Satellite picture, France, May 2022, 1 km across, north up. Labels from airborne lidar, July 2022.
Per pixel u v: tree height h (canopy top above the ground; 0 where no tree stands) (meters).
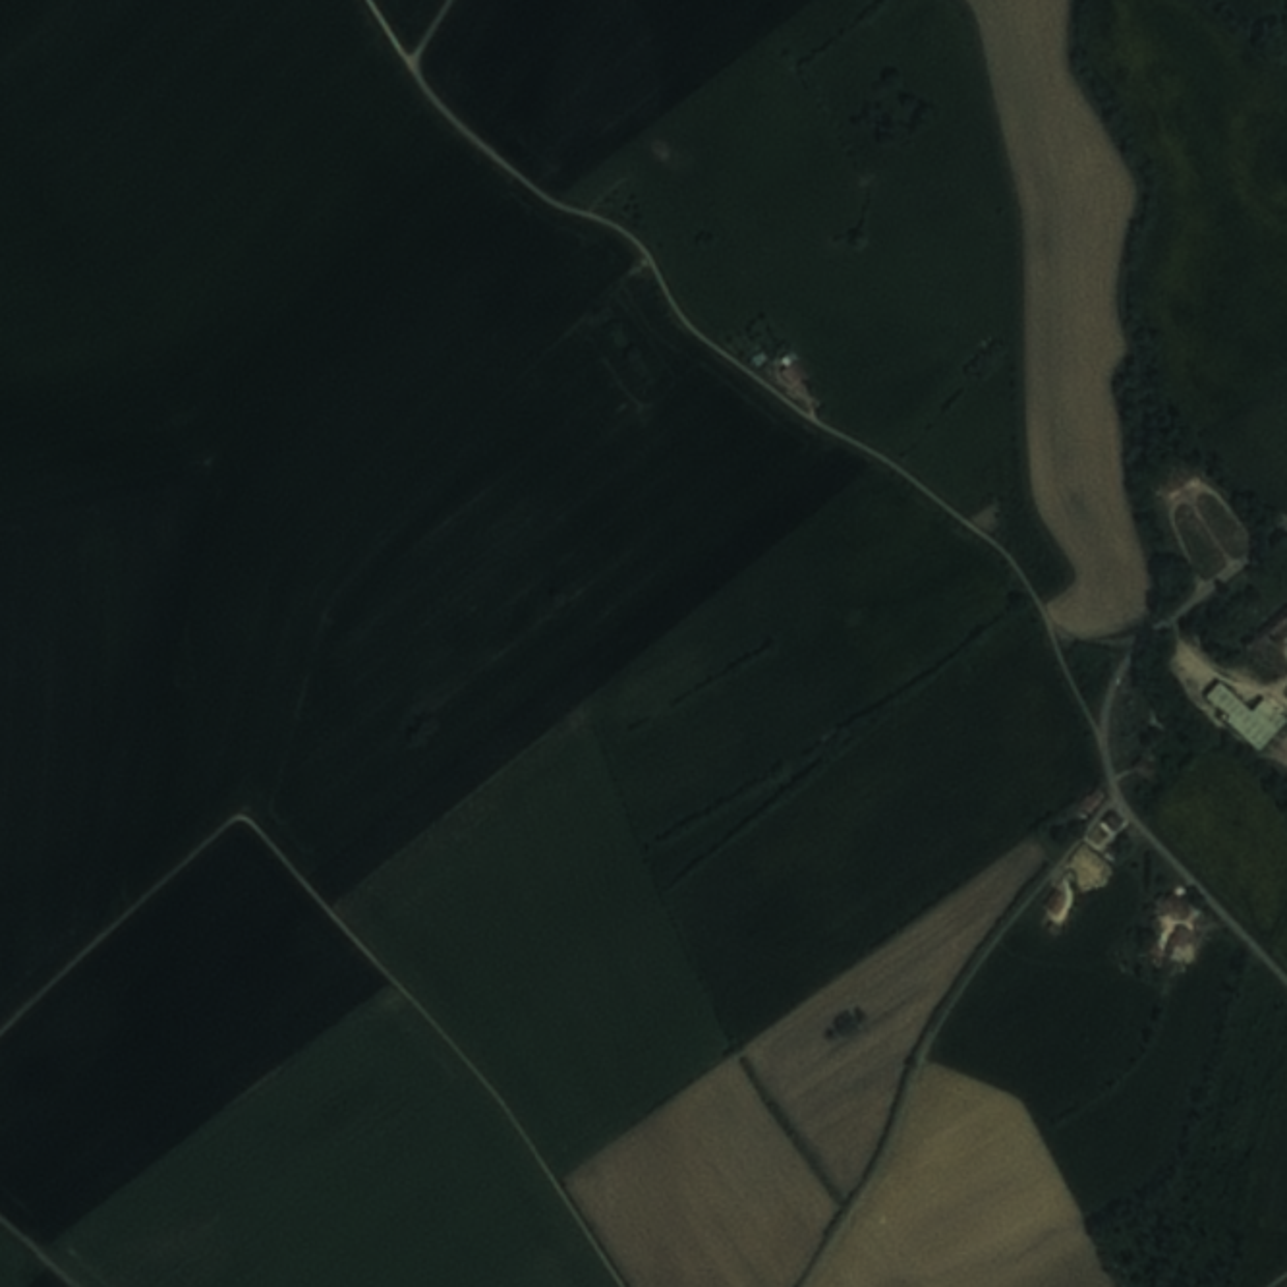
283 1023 0
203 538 0
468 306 0
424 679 0
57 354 0
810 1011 0
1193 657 0
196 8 0
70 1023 0
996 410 0
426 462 0
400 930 0
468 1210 0
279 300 0
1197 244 0
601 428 0
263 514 0
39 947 0
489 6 0
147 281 0
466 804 0
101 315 0
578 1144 0
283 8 0
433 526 0
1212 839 0
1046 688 0
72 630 0
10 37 0
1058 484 0
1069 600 0
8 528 0
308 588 0
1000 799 0
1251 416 0
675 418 0
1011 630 0
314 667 0
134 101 0
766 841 0
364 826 0
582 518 0
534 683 0
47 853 0
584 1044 0
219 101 0
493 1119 0
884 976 0
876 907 0
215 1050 0
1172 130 0
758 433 0
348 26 0
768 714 0
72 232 0
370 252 0
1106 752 0
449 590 0
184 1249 0
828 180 0
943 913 0
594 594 0
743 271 0
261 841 0
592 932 0
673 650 0
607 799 0
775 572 0
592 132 0
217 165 0
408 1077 0
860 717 8
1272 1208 0
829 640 0
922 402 0
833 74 0
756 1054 0
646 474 0
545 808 0
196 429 0
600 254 0
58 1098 0
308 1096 0
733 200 0
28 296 0
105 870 0
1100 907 0
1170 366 0
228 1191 0
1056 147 0
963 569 0
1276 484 0
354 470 0
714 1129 0
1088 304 0
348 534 0
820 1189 0
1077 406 0
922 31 0
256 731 0
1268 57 24
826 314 0
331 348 0
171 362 0
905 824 0
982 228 0
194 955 0
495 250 0
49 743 0
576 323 0
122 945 0
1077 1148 0
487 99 0
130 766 0
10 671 0
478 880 0
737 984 0
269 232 0
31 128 0
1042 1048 0
